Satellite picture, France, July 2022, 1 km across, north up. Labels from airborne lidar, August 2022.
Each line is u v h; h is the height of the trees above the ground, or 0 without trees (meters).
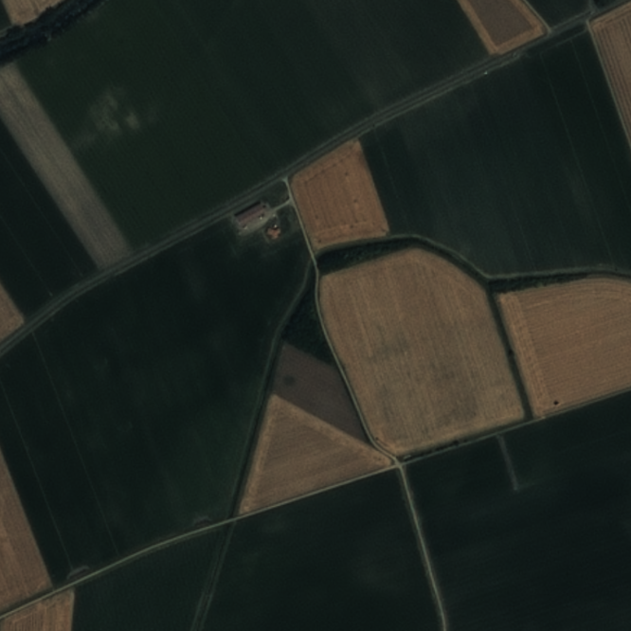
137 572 0
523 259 0
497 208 0
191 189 0
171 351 0
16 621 0
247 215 0
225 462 0
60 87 0
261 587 0
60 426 0
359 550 0
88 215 0
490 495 0
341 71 0
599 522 0
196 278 0
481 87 0
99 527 0
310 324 17
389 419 0
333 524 0
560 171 0
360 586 0
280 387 0
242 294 0
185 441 0
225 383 0
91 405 0
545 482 0
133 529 0
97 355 0
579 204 0
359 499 0
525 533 0
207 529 0
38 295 0
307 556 0
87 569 0
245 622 0
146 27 0
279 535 0
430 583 0
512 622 0
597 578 0
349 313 0
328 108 0
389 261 0
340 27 0
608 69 0
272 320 0
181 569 0
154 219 0
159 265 0
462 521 0
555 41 0
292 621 0
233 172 0
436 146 0
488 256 0
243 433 0
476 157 0
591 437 0
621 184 0
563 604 0
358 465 0
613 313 0
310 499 0
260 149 0
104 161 0
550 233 0
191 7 0
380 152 0
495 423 0
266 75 0
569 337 0
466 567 0
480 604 0
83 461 0
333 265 16
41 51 0
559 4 0
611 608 0
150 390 0
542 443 0
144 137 0
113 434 0
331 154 0
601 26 0
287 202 0
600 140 0
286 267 0
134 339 0
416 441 0
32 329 0
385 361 0
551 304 0
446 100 0
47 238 0
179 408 0
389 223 0
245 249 0
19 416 0
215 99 0
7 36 6
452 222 0
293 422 0
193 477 0
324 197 0
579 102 0
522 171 0
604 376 0
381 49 0
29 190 0
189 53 0
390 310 0
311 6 0
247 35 0
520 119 0
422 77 0
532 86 0
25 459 0
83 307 0
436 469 0
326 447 0
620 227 0
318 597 0
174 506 0
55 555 0
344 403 0
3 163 0
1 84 0
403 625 0
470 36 0
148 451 0
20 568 0
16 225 0
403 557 0
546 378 0
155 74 0
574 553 0
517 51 0
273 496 0
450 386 0
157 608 0
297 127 0
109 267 0
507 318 0
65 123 0
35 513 0
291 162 0
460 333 0
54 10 12
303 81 0
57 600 0
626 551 0
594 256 0
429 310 0
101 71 0
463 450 0
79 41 0
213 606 0
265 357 0
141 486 0
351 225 0
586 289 0
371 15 0
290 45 0
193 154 0
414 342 0
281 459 0
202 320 0
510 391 0
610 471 0
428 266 0
